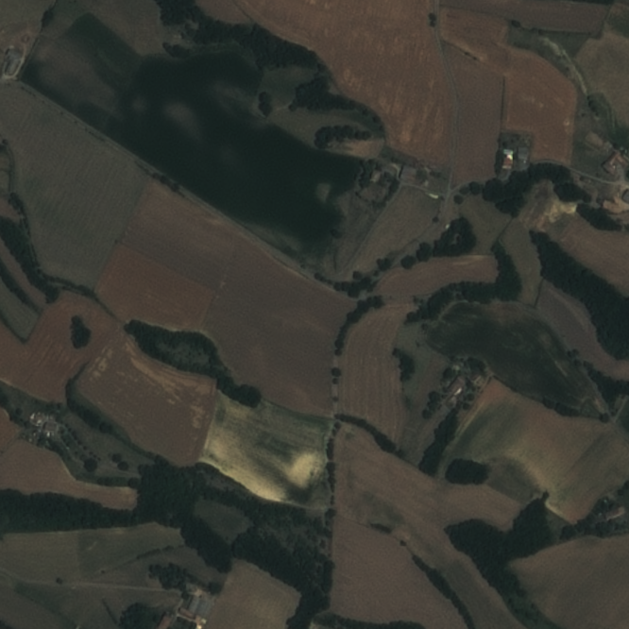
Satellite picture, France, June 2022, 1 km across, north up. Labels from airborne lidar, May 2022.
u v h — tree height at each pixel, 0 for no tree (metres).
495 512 0
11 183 0
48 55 0
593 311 19
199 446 0
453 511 0
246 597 0
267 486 0
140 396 0
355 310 6
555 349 0
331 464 10
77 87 0
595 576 0
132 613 17
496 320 0
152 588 0
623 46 0
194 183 0
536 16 0
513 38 0
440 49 0
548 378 0
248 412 0
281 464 0
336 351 8
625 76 0
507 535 8
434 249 10
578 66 0
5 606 0
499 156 10
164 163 0
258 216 0
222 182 0
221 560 17
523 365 0
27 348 0
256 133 0
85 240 0
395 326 0
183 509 18
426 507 0
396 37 0
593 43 0
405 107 0
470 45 0
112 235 0
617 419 0
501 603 0
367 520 0
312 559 9
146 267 0
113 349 0
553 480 0
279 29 0
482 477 17
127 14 0
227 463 0
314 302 0
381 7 0
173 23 12
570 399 0
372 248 0
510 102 0
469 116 0
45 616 0
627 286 0
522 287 8
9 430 0
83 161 0
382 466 0
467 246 17
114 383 0
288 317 0
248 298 0
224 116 0
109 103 0
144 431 0
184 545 6
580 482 0
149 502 16
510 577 19
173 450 0
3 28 0
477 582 0
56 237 0
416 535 0
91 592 0
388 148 0
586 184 0
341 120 0
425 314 15
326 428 0
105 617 0
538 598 0
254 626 0
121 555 0
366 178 13
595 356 0
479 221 0
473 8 0
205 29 11
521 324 0
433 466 20
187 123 0
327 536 7
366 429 8
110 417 0
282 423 0
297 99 10
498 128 0
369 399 0
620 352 8
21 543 0
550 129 0
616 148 7
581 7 0
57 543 0
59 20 0
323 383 0
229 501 15
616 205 0
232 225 0
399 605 0
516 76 0
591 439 0
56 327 0
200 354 7
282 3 0
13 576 0
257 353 0
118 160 0
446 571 0
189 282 0
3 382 0
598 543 0
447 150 0
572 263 14
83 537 0
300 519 10
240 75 0
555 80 0
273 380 0
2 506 13
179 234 0
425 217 0
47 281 9
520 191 19
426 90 0
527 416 0
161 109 0
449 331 0
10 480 0
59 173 0
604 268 0
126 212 0
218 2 0
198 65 0
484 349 0
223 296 0
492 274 0
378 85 0
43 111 0
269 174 0
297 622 14
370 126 0
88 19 0
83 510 19
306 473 0
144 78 0
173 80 0
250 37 15
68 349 0
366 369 0
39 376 0
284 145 0
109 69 0
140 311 0
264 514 8
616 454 0
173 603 0
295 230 0
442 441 13
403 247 0
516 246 0
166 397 0
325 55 0
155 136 0
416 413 0
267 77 0
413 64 0
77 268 0
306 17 0
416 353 0
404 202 0
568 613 0
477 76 0
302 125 0
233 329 0
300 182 0
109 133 0
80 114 0
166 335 10
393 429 0
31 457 0
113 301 0
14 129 0
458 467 21
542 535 20
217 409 0
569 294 14
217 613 0
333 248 0
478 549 22
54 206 0
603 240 0
